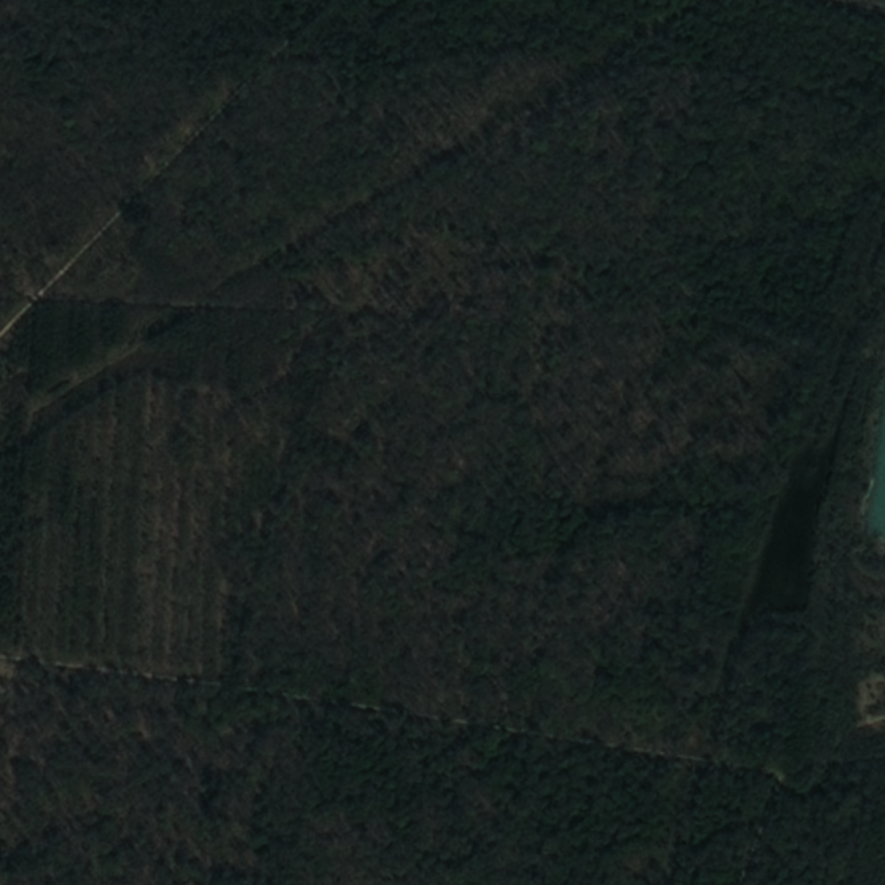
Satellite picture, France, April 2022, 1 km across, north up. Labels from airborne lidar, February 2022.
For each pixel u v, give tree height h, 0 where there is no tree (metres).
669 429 30
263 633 26
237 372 17
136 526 16
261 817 25
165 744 26
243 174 26
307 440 17
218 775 27
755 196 27
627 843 27
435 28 20
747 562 15
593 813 25
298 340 14
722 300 31
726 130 24
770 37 22
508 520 25
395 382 29
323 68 25
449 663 28
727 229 28
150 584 0
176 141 30
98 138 26
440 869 31
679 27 21
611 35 23
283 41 27
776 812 21
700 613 31
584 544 28
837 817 30
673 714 29
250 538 23
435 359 30
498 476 28
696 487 29
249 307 11
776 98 27
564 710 27
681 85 30
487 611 26
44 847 25
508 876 30
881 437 0
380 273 0
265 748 24
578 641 32
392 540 30
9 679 0
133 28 17
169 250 21
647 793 22
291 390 14
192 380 13
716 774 22
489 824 29
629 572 32
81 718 28
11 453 16
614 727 22
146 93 26
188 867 27
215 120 24
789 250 28
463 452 32
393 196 30
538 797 25
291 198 30
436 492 28
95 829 28
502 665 28
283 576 28
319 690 24
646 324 24
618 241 31
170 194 29
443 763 26
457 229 31
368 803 27
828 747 20
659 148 22
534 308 28
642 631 34
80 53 21
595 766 25
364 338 23
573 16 25
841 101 25
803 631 26
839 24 23
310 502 22
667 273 28
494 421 30
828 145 28
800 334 30
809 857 27
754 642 23
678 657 29
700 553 26
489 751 25
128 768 31
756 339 28
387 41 23
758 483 26
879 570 13
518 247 31
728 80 25
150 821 26
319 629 27
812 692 27
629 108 30
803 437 19
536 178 32
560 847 26
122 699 30
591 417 30
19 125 18
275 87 24
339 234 28
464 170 29
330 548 29
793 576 0
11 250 22
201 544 10
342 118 27
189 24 24
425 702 26
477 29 25
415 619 27
